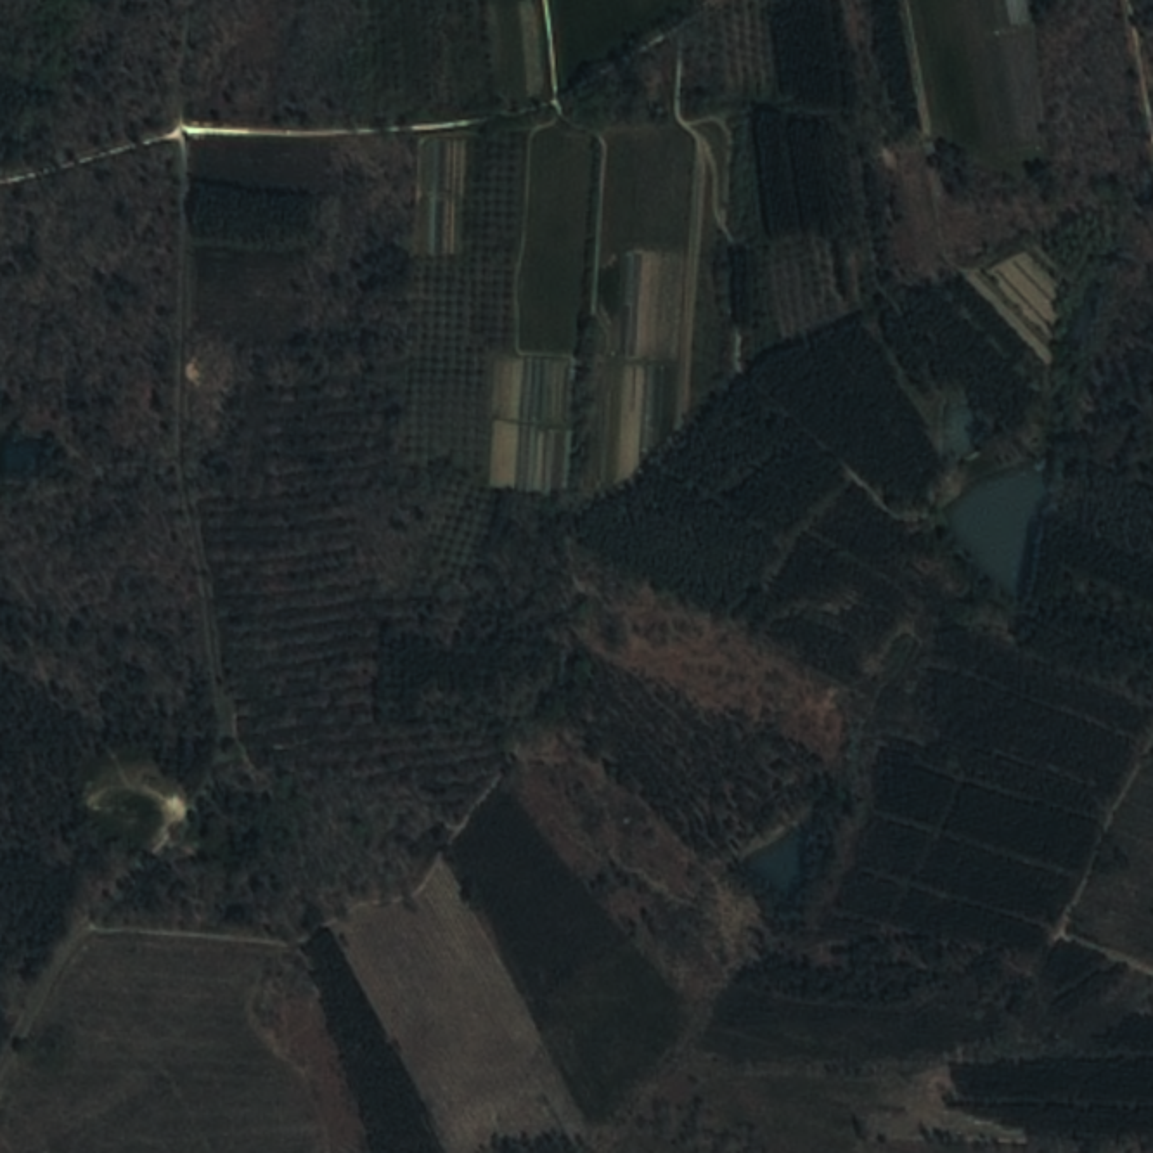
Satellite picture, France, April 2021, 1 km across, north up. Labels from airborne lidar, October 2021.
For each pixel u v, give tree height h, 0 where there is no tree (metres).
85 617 10
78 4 17
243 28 8
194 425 10
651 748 16
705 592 17
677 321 0
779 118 20
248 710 11
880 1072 7
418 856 16
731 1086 0
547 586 14
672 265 0
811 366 18
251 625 7
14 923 16
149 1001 0
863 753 6
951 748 9
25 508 7
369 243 10
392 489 12
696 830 15
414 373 9
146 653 14
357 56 12
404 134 15
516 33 0
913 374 18
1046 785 10
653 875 0
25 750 17
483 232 7
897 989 11
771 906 18
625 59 14
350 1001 13
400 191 15
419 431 11
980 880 8
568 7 0
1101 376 14
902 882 7
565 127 8
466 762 6
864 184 11
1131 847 0
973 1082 7
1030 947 8
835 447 17
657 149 0
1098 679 21
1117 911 0
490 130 10
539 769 0
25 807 17
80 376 6
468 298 7
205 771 16
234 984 0
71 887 17
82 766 16
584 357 9
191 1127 0
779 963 16
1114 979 7
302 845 12
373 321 6
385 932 0
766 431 17
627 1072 0
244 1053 0
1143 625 9
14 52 13
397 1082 14
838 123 13
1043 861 9
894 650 7
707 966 0
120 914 17
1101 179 8
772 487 19
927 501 13
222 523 8
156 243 9
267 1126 0
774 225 22
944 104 0
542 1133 0
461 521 9
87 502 8
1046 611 20
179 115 0
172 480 12
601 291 0
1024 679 12
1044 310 0
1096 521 18
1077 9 8
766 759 17
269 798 8
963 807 9
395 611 12
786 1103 0
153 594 12
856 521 8
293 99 10
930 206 0
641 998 0
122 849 13
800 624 10
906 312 17
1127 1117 10
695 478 17
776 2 22
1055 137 9
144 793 0
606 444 0
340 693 6
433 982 0
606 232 0
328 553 7
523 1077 0
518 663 14
